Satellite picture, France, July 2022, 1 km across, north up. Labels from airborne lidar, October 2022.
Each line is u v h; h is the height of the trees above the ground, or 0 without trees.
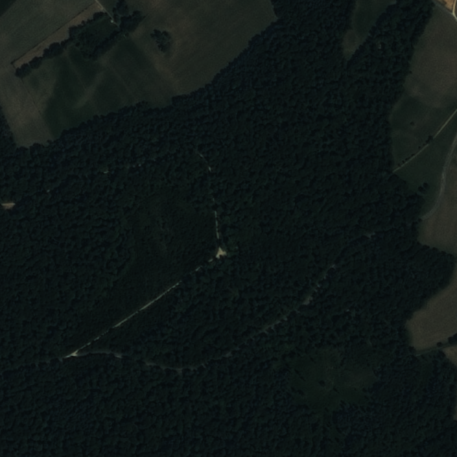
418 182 0
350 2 30
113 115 19
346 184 28
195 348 27
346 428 22
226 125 28
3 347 32
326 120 32
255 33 0
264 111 8
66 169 26
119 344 8
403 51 24
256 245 26
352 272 11
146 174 27
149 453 34
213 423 31
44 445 30
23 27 0
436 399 24
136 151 28
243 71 28
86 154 30
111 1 0
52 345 30
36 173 28
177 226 6
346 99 28
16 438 33
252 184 31
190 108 18
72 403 29
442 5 0
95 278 29
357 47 0
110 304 10
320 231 23
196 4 0
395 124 0
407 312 22
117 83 0
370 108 25
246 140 29
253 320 28
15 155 17
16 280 28
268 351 29
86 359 15
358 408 27
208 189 25
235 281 27
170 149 26
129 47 0
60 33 0
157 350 29
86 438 29
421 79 0
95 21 7
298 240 24
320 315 25
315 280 29
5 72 0
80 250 27
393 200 33
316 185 30
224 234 28
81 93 0
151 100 0
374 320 9
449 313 0
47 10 0
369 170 29
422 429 26
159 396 29
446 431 24
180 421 33
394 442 20
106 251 30
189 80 0
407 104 0
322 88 28
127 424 34
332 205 27
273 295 31
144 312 8
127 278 6
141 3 0
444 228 0
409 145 0
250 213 32
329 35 27
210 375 27
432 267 20
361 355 6
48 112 0
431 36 0
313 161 31
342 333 30
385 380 27
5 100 0
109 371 31
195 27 0
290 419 32
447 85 0
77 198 12
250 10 0
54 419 24
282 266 23
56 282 31
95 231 28
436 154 0
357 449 25
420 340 0
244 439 28
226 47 0
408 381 26
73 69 0
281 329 28
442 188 0
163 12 0
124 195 28
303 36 23
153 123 32
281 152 31
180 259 9
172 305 6
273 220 29
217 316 32
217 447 31
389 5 0
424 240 0
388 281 28
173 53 0
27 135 0
